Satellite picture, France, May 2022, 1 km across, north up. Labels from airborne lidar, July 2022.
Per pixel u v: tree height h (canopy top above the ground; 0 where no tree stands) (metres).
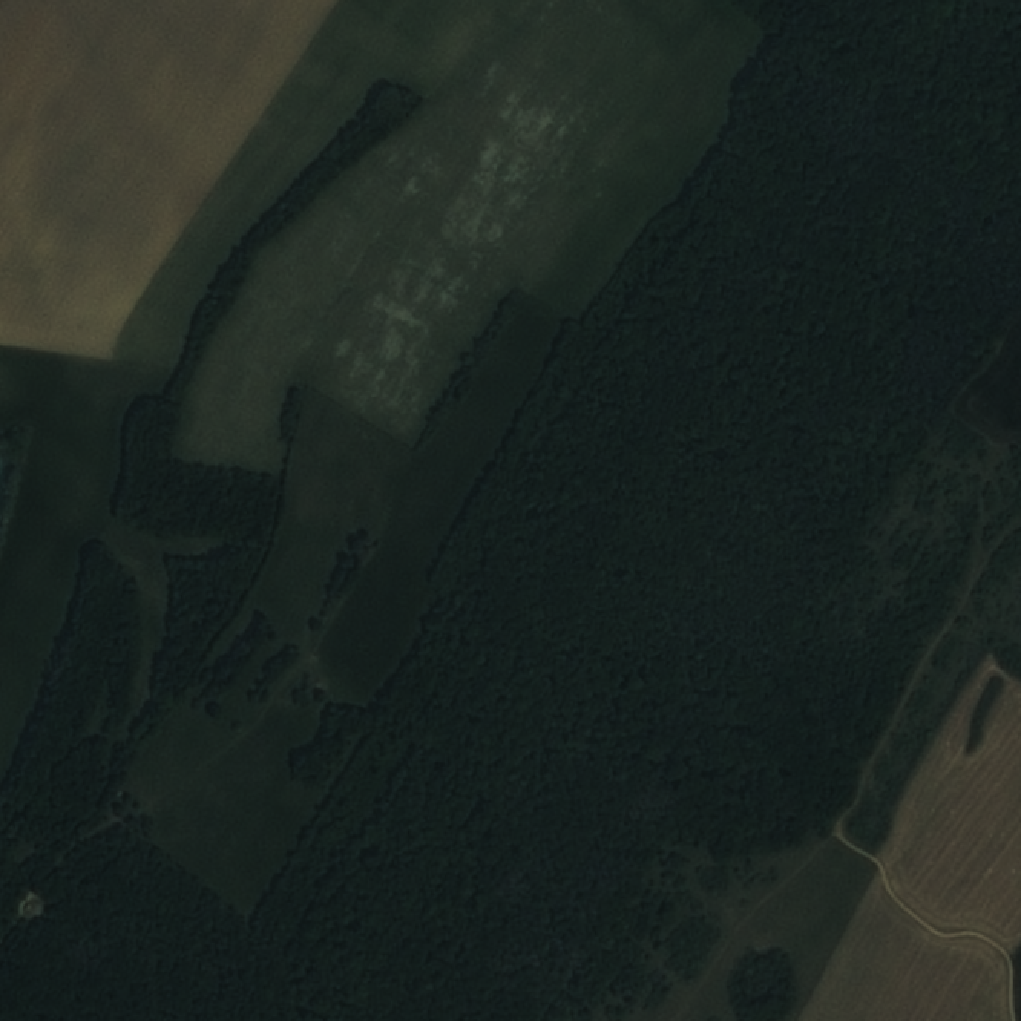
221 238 0
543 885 15
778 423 21
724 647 18
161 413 18
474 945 15
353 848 19
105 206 0
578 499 17
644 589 14
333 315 0
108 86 0
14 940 13
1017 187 17
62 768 13
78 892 11
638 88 0
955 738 0
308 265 0
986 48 17
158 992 15
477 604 18
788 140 19
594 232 0
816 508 15
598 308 8
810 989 0
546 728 15
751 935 0
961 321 19
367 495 0
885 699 10
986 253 18
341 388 0
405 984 16
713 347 17
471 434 0
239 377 0
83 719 11
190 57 0
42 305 0
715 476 19
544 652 20
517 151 0
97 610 21
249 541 20
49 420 0
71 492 0
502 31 0
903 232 18
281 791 0
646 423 17
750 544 15
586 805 15
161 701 12
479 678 16
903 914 0
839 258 18
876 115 15
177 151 0
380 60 0
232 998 17
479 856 19
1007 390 0
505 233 0
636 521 21
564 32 0
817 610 8
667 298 20
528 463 15
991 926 0
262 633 13
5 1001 20
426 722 18
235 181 0
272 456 0
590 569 17
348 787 7
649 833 12
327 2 0
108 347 0
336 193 0
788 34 18
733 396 19
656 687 22
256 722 0
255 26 0
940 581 6
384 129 13
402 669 8
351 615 0
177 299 0
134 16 0
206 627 12
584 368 14
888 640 6
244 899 0
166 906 16
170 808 0
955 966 0
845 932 0
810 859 0
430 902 21
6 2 0
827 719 14
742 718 22
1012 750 0
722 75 0
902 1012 0
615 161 0
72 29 0
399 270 0
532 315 0
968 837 0
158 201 0
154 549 0
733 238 16
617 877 15
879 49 19
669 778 23
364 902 20
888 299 22
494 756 17
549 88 0
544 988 13
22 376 0
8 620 0
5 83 0
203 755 0
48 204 0
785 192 17
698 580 15
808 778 20
